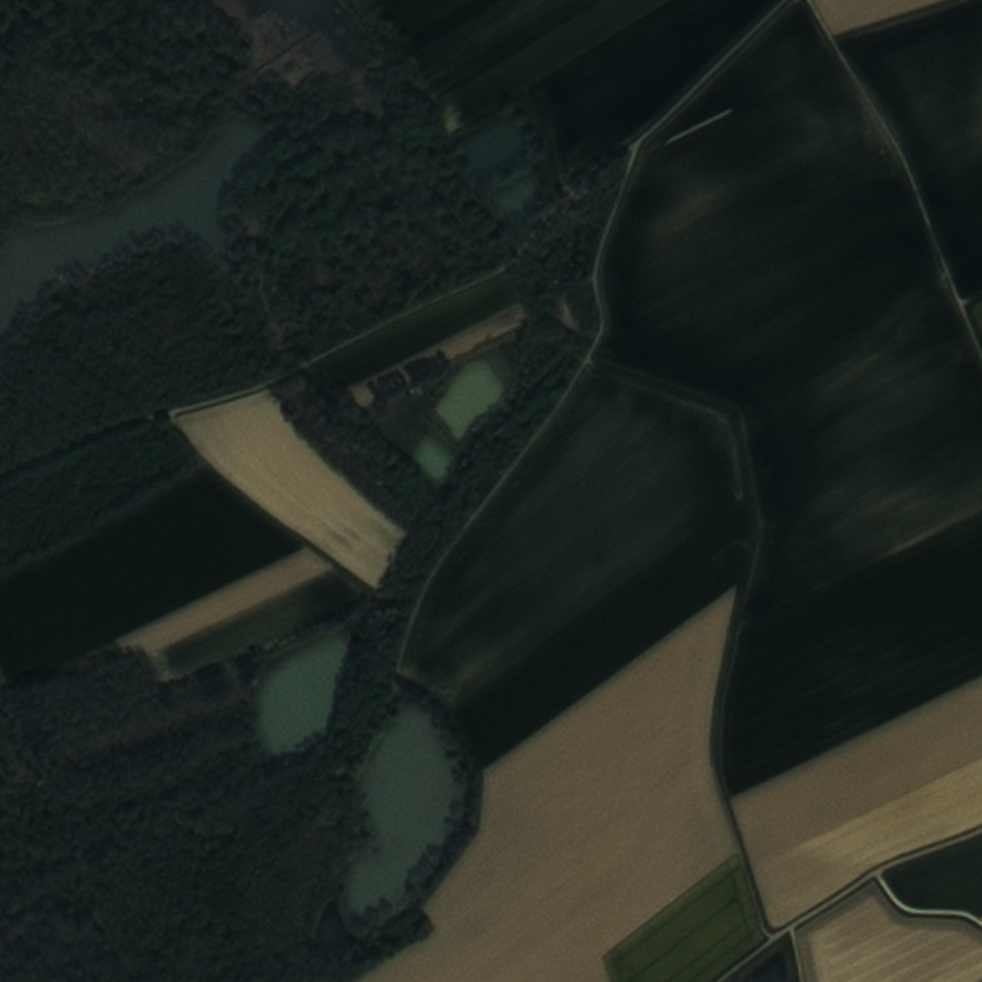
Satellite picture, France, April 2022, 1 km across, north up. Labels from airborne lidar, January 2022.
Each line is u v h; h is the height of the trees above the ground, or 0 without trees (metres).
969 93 0
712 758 0
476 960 0
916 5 0
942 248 0
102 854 28
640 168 0
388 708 6
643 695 0
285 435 0
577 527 0
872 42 0
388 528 0
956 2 0
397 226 27
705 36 0
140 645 0
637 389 0
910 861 0
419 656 0
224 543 0
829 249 0
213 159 0
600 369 0
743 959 0
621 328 0
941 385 0
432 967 0
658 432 0
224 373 11
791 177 0
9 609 0
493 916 0
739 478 0
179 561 0
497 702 0
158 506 0
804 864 0
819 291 0
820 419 0
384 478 19
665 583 0
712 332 0
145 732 13
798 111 0
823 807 0
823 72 0
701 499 0
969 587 0
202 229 0
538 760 0
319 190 28
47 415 13
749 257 0
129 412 9
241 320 14
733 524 0
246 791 24
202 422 0
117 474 15
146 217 0
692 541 0
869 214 0
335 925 0
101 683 19
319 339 7
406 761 0
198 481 0
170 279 11
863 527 0
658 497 0
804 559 0
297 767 15
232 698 16
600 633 0
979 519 0
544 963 0
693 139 0
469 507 15
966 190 0
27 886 27
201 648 0
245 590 0
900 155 0
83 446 12
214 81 23
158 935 20
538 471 0
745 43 0
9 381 12
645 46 0
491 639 0
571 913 0
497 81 0
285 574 0
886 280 0
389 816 0
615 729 0
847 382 0
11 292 0
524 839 0
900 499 0
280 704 0
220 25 24
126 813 14
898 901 0
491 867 0
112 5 34
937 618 0
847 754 0
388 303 11
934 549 0
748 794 0
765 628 0
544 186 14
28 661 0
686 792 0
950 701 0
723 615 0
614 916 0
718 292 0
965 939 0
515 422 17
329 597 0
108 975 28
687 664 0
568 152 0
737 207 0
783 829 0
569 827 0
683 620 0
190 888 23
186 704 16
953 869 0
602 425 0
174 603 0
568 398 0
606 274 0
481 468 18
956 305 0
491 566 0
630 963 0
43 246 0
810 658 0
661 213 0
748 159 0
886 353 0
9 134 29
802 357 0
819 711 0
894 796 0
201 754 27
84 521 13
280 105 15
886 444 0
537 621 0
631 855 0
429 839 0
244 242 23
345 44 0
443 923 0
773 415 0
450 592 0
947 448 0
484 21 0
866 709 0
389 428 0
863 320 0
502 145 0
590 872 0
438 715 15
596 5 0
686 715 0
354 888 0
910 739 0
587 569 0
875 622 0
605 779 0
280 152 21
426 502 17
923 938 0
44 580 0
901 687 0
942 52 0
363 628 9
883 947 0
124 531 0
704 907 0
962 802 0
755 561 0
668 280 0
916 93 0
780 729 0
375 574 0
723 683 0
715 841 0
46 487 13
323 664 0
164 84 25
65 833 13
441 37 0
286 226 24
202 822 26
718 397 0
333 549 0
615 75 0
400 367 0
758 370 0
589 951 0
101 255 0
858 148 0
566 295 15
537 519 0
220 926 18
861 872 0
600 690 0
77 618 0
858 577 0
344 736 19
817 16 0
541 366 12
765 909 0
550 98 0
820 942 0
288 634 0
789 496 0
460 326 0
